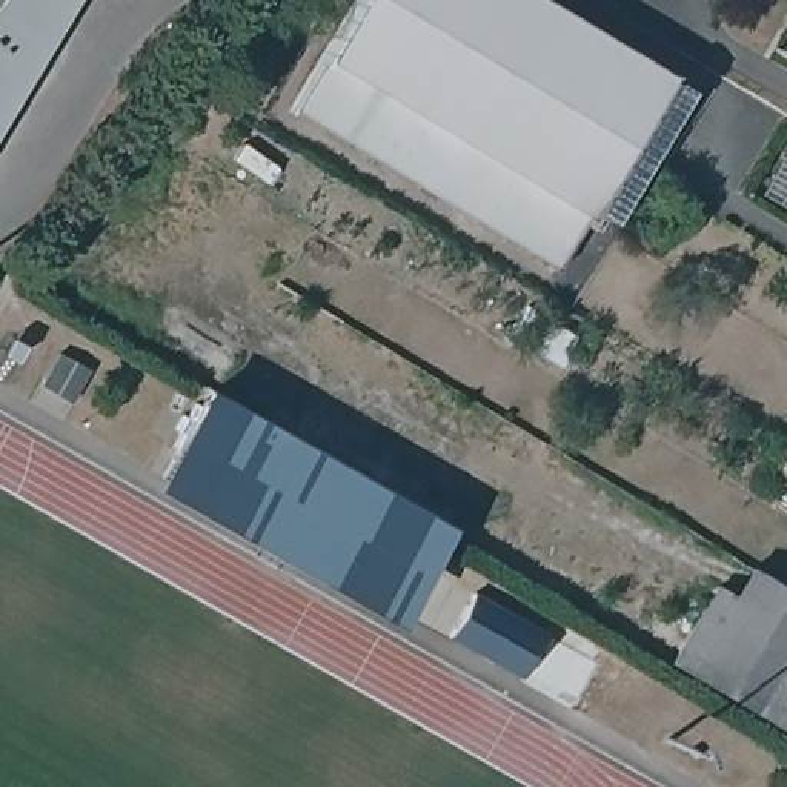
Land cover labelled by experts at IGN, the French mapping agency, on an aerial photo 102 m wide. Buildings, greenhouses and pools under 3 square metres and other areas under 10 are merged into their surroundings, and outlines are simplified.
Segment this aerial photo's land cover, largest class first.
<instances>
[{"label":"herbaceous vegetation","instance_id":"1","mask_svg":"<svg viewBox=\"0 0 787 787\"><path fill-rule=\"evenodd\" d=\"M729 40H738L762 55L772 43L787 49V0H778L756 22V28L732 25V31L726 34ZM307 43L304 31H298L289 40H280L277 34H258L255 40H249V61L255 77L264 86H283ZM227 114L209 111L206 129L188 141V166L172 175V224L163 227L154 240H144V246L135 255L120 249L114 258L105 261L108 280L129 283L141 292H169L163 314L166 332L160 338H148L132 323L86 301L71 283L61 280L55 286V295L68 304L74 317L105 326L108 332L120 335L129 347L157 357L160 363L172 366L181 378L197 381L203 387L215 394L246 406L249 412L289 430L307 446L338 458L341 464L375 480L394 495H403L427 507L440 520L452 523L461 532V541L449 560V572L461 575L464 569V553L477 547L501 560L507 569L526 575L532 584L553 590L581 615L615 630L618 636L639 646L667 667L676 661V652L689 646L692 624L682 618L664 621L661 603L673 590L698 584L704 575L726 581L732 578V563L726 560L704 553L695 544H686L679 535L652 529L636 513L615 504L606 492H596L581 473H596L606 483L624 489L627 495L646 501L649 507L673 516L726 556L762 572L769 553L787 550V498H759L750 486L738 483L729 473V467L719 464L713 452L726 440V421H735L741 415L750 418L753 427L787 437V258L753 240L750 234L732 227L726 218L732 215V209L726 203L713 218L695 237L676 243L667 255L658 258L630 255L624 243H612L609 255L599 261V267L581 292L553 283L547 286V292H538L504 274L498 264L486 261L446 277L443 252L424 249V243L415 234V221L406 215V209H390L378 197H366L363 191L326 175L301 151L286 157L267 141L255 138L252 132L243 138L246 148H231L221 138ZM698 267H710L719 271L726 280H738L744 286L741 304L729 314L722 301L710 298L701 314H692L682 323H658L649 310V292L658 283L682 286L686 280L698 277ZM547 295L553 301L563 329L575 335L581 326H593L606 335V347L593 363L569 360L566 372L547 360L544 350L520 354L513 347L526 323L535 320L532 307L538 304V298ZM649 363H658L667 372L679 375L682 384L698 397H710L707 418L704 427L695 430V437H682L679 424H658L646 430V424L636 421V449L630 455H621L618 437L609 433L612 418L621 409V384L639 375ZM556 387L599 409L606 433L590 446V455H550L547 427L553 424L550 397ZM65 231L77 237V249L55 243V249H61L58 267H71L77 255H83L101 237L105 221L68 224L65 209L49 200L43 212L34 215V221L0 237V249H6L9 243H37L43 234ZM132 397L141 378L138 369L120 366L108 372V381ZM0 787H523L504 778L501 772L489 769L486 762L461 753L458 747L378 707L375 701L357 695L354 689L335 682L332 676L307 667L295 655L277 649L274 643L224 621L206 606L194 603L191 596L157 581L154 575L114 556L111 550L86 541L83 535L52 523L49 516L0 492ZM575 707L606 722L618 735L633 738L646 750L658 741L676 747L679 753L673 762L689 769L686 778H692L701 787H769L775 756L769 750L735 732L732 726L713 719L707 710L686 701L664 682L646 676L615 652L599 649L596 670L587 689L578 695Z\"/></svg>","mask_w":787,"mask_h":787},{"label":"impervious surface","instance_id":"2","mask_svg":"<svg viewBox=\"0 0 787 787\"><path fill-rule=\"evenodd\" d=\"M191 0H83L0 138V237L34 221V215L43 212L49 200L58 175L77 157L83 138L126 101V92L120 89V74L132 65L144 40H151L157 31H172L175 15ZM569 12L581 15L584 22L596 25L599 31L612 34L615 40L627 43L630 49L643 52L646 58L658 61L661 68L673 71L676 77H682L686 86L701 92L689 123L676 135V144L661 169L673 172L676 184L704 206V215L713 218L726 203L732 209V215L726 218L732 227L750 234L753 240L787 258V221L756 206L753 194L744 191L747 166L753 163L769 129H775L787 117V58L762 55L738 40H729L726 34L716 22L707 18V0H553ZM329 40L314 37L307 43L283 86L274 111L280 123H286L298 135H307L332 148L335 154L347 157L360 172H369L381 178L387 188L403 191L406 197L430 206L433 212L446 215L458 231L470 234L480 243H489L492 249L513 258L520 267L553 283L581 292L599 267V261L609 255L612 243L609 227H587L569 261L560 267L556 261H547L523 249L520 243L501 237L470 212L449 206L433 191L421 188L409 175L381 163L378 157L360 151L357 144L344 141L314 117H292V101L307 83L317 61L323 58ZM769 194L787 206V151L781 154V163L769 178ZM120 366V357L114 350L65 326L58 317L22 301L9 277L0 280V492L49 516L52 523L83 535L86 541L111 550L114 556L154 575L157 581L191 596L194 603L206 606L224 621L274 643L277 649L295 655L307 667L332 676L335 682L354 689L357 695L375 701L378 707L458 747L461 753L486 762L489 769L501 772L504 778L523 787H701L692 778H686L689 769L673 762L679 753L676 747L658 741L646 750L633 738L618 735L606 722L575 707L578 695L587 689L596 670L599 649L575 630L566 633L532 670V676L510 673L492 658L470 652L467 646H461L458 633L470 621L477 596L486 587V578L480 572L464 569L461 575L449 572L440 575L421 618L406 633H400L397 627L384 624L375 612L357 606L347 596L329 593L326 587L301 578L295 569H280L277 560H271L252 544H243V538L231 529L169 498L172 480L160 477V464L166 461V452L172 446L181 452L188 449V443L197 437L200 424L206 421L215 403V394L203 387L197 397H184L154 375L141 378L132 397L126 406H120L117 415H101L92 406V400L95 390L108 381V372ZM575 335L563 329L547 338L544 350L547 360L566 372L569 360V344Z\"/></svg>","mask_w":787,"mask_h":787},{"label":"building","instance_id":"3","mask_svg":"<svg viewBox=\"0 0 787 787\"><path fill-rule=\"evenodd\" d=\"M83 0H0V138ZM701 92L686 86L682 77H676L673 71L661 68L658 61L646 58L643 52L630 49L627 43L615 40L612 34L599 31L596 25L584 22L581 15L569 12L553 0H354V9L344 15L338 34L329 40L323 58L317 61L307 83L292 101V117H314L344 141L357 144L360 151L378 157L381 163L409 175L421 188L433 191L449 206L470 212L501 237L520 243L523 249L547 261H556L560 267L569 261L587 227H624L630 221L633 209L643 203L649 184L661 169L676 144V135L689 123ZM787 58V49L772 43L762 55ZM160 477L172 480L169 498L231 529L243 538V544H252L271 560H277L280 569H295L301 578L326 587L329 593L347 596L357 606L375 612L384 624L397 627L400 633H406L421 618L440 575L449 572V560L461 541V532L452 523L440 520L427 507L403 495H394L375 480L341 464L338 458L307 446L289 430L249 412L246 406L215 394V403L206 421L200 424L197 437L188 443V449L181 452L172 446L166 452V461L160 464ZM726 560L732 563V578L726 581L722 590H713V603L707 606L701 621L692 624L689 646L676 652V661L713 689H722L729 698H735L732 710H744L750 719L762 713L769 722L787 729V550L769 553L762 572L726 556ZM566 633L553 621L510 599L507 593L486 587L477 596L470 621L458 633L461 646H467L470 652L492 658L510 673L532 676V670Z\"/></svg>","mask_w":787,"mask_h":787},{"label":"deciduous trees","instance_id":"4","mask_svg":"<svg viewBox=\"0 0 787 787\"><path fill-rule=\"evenodd\" d=\"M354 9V0H191L175 15L172 31H157L151 40H144L132 65L120 74V89L126 92V101L83 138L77 157L58 175L49 200L65 209L68 224L105 221L101 237L83 255H77L71 267H58L61 249H55V243L77 249V237L65 231L43 234L37 243H9L6 249H0V280L9 277L22 301L58 317L65 326L114 350L120 357V366L138 369L141 378L154 375L184 397H197L203 387L197 381L181 378L172 366L160 363L157 357L129 347L120 335L108 332L105 326L74 317L68 304L55 295V286L61 280L71 283L86 301L132 323L148 338H160L166 332L163 314L169 292H141L129 283L108 280L105 261L114 258L120 249L135 255L144 246V240H154L163 227L172 224V175L188 166V141L206 129L209 111L227 114L221 138L231 148H246L243 138L252 132L255 138L267 141L286 157L301 151L326 175L363 191L366 197H378L390 209H406V215L415 221V234L424 243V249L443 252L446 277L486 261L498 264L504 274L538 292H547V286L553 283L520 267L513 258L492 249L489 243H480L470 234L458 231L446 215L433 212L430 206L406 197L403 191L387 188L381 178L369 172H360L347 157L335 154L332 148L307 135H298L286 123H280L274 111L283 86H264L255 77L249 61V40H255L258 34H277L280 40H289L298 31H304L307 43L314 37L329 40L338 34L344 15ZM778 0H707V18L716 22L726 34L732 31V25L756 28V22ZM787 151V117L775 129H769L753 163L747 166L744 191L753 194L756 184L769 188V178L781 163V154ZM713 218L704 215V206L676 184L673 172L661 169L649 184L643 203L633 209L630 221L624 227H609L612 243H624L630 255L658 258L667 255L676 243L695 237ZM710 298L722 301L729 314L741 304L744 286L738 280H726L719 271L710 267H698V277L686 280L682 286L658 283L649 292V310L658 323H682L692 314H701ZM535 320L526 323L513 347L520 354L544 350L547 338L563 329L553 301L547 295L538 298V304L532 307ZM606 347V335L593 326H581L569 344V360L593 363ZM710 397H698L682 384L679 375L667 372L658 363H649L639 375L621 384V409L612 418L609 433L618 437L621 455H630L636 449V421L646 424V430L658 424H679L682 437H695V430L704 427L707 418ZM132 397L108 381L95 390L92 400V406L101 415H117L120 406H126ZM553 424L547 427L550 455H590V446L606 433L599 409L556 387L550 397ZM719 464L729 467V473L738 483L750 486L759 498H787V437L753 427L750 418L741 415L735 421H726V440L713 452ZM596 492H606L615 504L636 513L652 529L679 535L686 544H695L704 553L726 560V556L673 516L649 507L646 501L627 495L624 489L606 483L596 473H581ZM464 569L480 572L486 578V587L507 593L510 599L553 621L566 633L575 630L599 649L615 652L646 676L664 682L686 701L707 710L713 719L732 726L735 732L769 750L775 756L769 787H787V729L769 722L762 713L750 719L744 710H732L735 698H729L722 689H713L676 661L667 667L639 646L618 636L615 630L581 615L553 590L532 584L526 575L507 569L501 560L477 547L464 553ZM726 581L704 575L698 584L673 590L661 603L664 621L682 618L692 624L701 621L707 606L713 603V590H722Z\"/></svg>","mask_w":787,"mask_h":787},{"label":"brushwood","instance_id":"5","mask_svg":"<svg viewBox=\"0 0 787 787\"><path fill-rule=\"evenodd\" d=\"M756 206L787 221V206L769 194V188L756 184L753 194Z\"/></svg>","mask_w":787,"mask_h":787}]
</instances>
